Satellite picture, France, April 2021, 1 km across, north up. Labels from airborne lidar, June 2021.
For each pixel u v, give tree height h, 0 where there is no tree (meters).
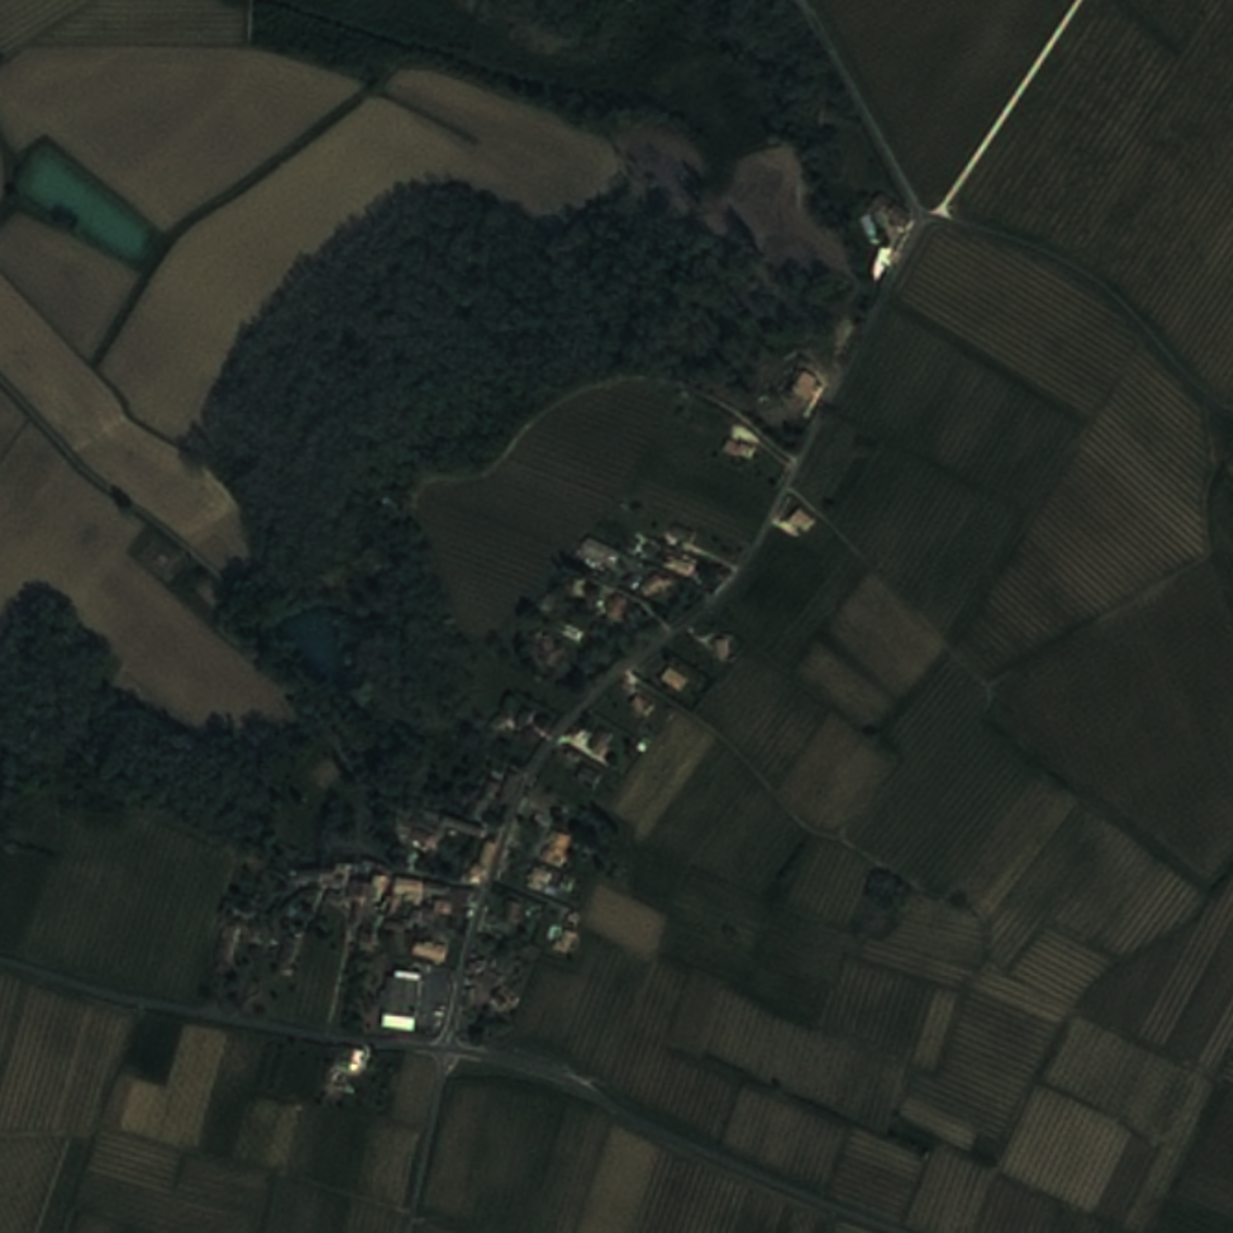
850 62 0
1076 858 0
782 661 0
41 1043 0
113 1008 0
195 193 0
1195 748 0
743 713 0
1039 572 0
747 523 0
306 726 11
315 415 13
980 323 0
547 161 0
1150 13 0
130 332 0
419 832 0
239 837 22
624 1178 0
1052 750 0
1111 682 0
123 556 0
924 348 0
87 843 0
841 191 0
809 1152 0
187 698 0
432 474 11
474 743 17
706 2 19
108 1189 0
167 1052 0
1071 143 0
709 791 0
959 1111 0
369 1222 0
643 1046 0
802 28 7
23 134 0
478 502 0
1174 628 0
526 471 0
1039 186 0
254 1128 0
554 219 0
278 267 0
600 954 0
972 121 0
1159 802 0
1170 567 0
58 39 0
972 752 0
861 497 0
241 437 24
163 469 0
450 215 21
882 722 0
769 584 0
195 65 0
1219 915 0
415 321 22
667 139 0
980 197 0
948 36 0
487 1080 0
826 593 0
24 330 0
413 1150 0
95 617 0
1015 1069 0
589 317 26
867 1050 0
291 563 18
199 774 28
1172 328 0
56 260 0
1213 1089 0
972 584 0
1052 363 0
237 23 0
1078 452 0
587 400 0
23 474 0
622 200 19
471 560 0
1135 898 0
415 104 0
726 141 0
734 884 0
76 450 0
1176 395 0
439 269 24
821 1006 0
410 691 21
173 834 0
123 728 21
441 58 10
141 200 0
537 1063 0
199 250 0
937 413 0
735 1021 0
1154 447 0
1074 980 0
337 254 13
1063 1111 0
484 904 0
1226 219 0
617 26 21
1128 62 0
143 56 0
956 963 0
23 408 0
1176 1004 0
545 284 19
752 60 18
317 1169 0
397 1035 0
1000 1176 0
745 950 0
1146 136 0
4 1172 0
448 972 0
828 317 14
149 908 0
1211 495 0
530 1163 0
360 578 8
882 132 0
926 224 0
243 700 0
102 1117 0
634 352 20
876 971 0
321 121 0
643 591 11
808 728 0
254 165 0
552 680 9
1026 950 0
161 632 0
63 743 24
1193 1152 0
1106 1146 0
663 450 0
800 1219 0
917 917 0
